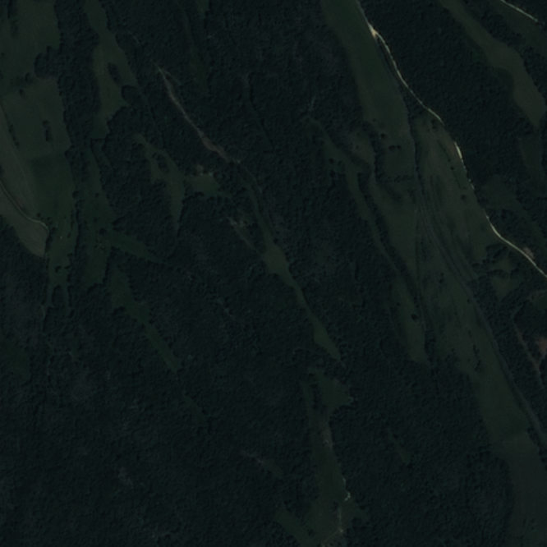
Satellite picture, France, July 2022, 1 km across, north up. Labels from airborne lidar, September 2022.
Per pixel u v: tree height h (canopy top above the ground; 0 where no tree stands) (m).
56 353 8
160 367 11
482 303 7
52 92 0
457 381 7
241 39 14
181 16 14
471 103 12
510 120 16
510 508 11
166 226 15
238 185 12
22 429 12
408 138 0
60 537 15
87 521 13
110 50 0
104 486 16
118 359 15
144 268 16
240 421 15
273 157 13
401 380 9
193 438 16
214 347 15
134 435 11
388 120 0
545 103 0
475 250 0
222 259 13
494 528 8
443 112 15
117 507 7
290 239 11
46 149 0
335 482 0
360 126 11
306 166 13
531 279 6
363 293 17
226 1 13
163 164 11
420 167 6
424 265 0
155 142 15
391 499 8
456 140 15
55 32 0
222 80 22
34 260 15
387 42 11
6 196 0
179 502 15
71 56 20
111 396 23
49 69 12
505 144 16
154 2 9
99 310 11
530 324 15
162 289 11
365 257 11
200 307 9
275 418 16
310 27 11
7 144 0
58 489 16
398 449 10
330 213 14
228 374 9
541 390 6
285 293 15
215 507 13
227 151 11
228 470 20
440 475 8
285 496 6
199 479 14
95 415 10
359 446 10
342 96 7
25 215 0
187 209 16
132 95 18
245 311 16
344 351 14
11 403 13
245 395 15
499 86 16
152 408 15
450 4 0
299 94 13
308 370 13
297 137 12
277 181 15
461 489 11
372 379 12
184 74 13
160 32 9
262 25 15
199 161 15
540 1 16
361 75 0
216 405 13
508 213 18
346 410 18
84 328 7
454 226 0
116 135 21
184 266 16
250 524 12
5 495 7
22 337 6
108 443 15
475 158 10
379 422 24
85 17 13
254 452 20
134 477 12
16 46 0
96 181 0
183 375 15
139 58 15
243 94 19
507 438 0
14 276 10
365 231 13
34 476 17
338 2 0
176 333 11
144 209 12
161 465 9
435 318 0
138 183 14
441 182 0
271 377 12
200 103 12
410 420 11
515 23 0
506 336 10
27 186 0
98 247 10
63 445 11
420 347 0
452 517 11
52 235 12
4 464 9
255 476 19
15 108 0
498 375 0
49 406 17
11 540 16
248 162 9
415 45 12
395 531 9
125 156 11
